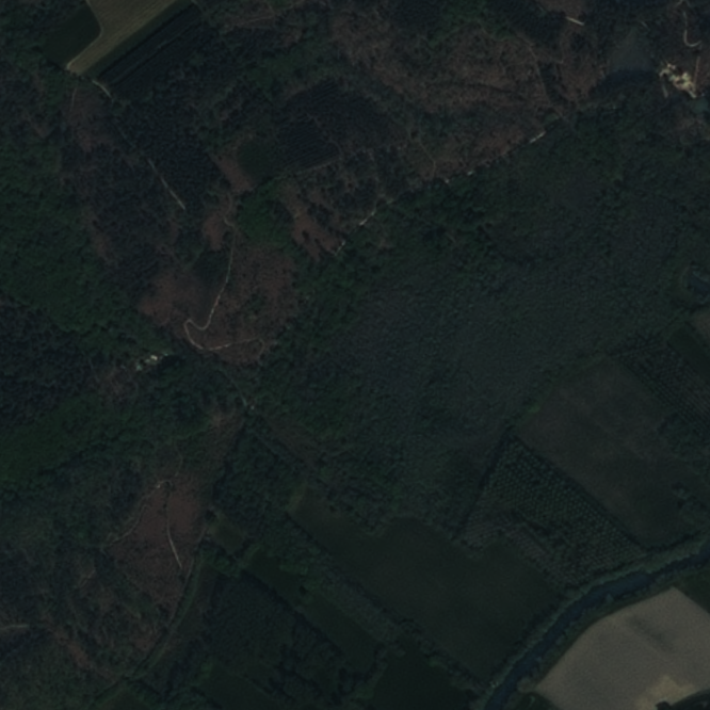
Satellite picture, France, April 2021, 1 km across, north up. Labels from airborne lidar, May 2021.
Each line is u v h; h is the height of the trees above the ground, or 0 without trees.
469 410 13
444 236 19
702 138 24
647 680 0
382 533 11
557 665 0
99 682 19
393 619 19
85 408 16
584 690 0
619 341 15
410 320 7
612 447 0
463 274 21
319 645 29
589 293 24
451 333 8
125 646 17
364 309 10
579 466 0
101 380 14
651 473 0
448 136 7
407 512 15
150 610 21
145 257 19
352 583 17
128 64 10
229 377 15
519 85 6
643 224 16
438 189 17
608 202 13
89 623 14
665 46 20
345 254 20
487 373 16
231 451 8
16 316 16
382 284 7
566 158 12
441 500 21
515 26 17
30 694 25
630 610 0
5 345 14
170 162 19
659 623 0
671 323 13
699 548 12
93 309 17
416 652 0
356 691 17
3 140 19
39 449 18
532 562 17
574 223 16
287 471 20
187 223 10
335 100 7
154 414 19
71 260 18
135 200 18
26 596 19
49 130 15
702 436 16
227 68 16
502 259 18
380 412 8
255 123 7
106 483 13
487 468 11
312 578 21
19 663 22
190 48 10
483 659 0
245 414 7
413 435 11
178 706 27
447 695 0
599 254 19
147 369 18
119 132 11
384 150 9
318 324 15
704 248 7
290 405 24
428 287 9
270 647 28
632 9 19
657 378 11
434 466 15
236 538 0
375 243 8
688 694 0
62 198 13
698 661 0
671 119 22
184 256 12
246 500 31
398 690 0
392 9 9
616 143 20
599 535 17
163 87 14
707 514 17
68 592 19
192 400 21
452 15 14
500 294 17
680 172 6
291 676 27
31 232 16
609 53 23
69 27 0
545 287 17
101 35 0
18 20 10
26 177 18
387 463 18
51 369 5
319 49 15
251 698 0
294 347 14
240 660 30
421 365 10
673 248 17
